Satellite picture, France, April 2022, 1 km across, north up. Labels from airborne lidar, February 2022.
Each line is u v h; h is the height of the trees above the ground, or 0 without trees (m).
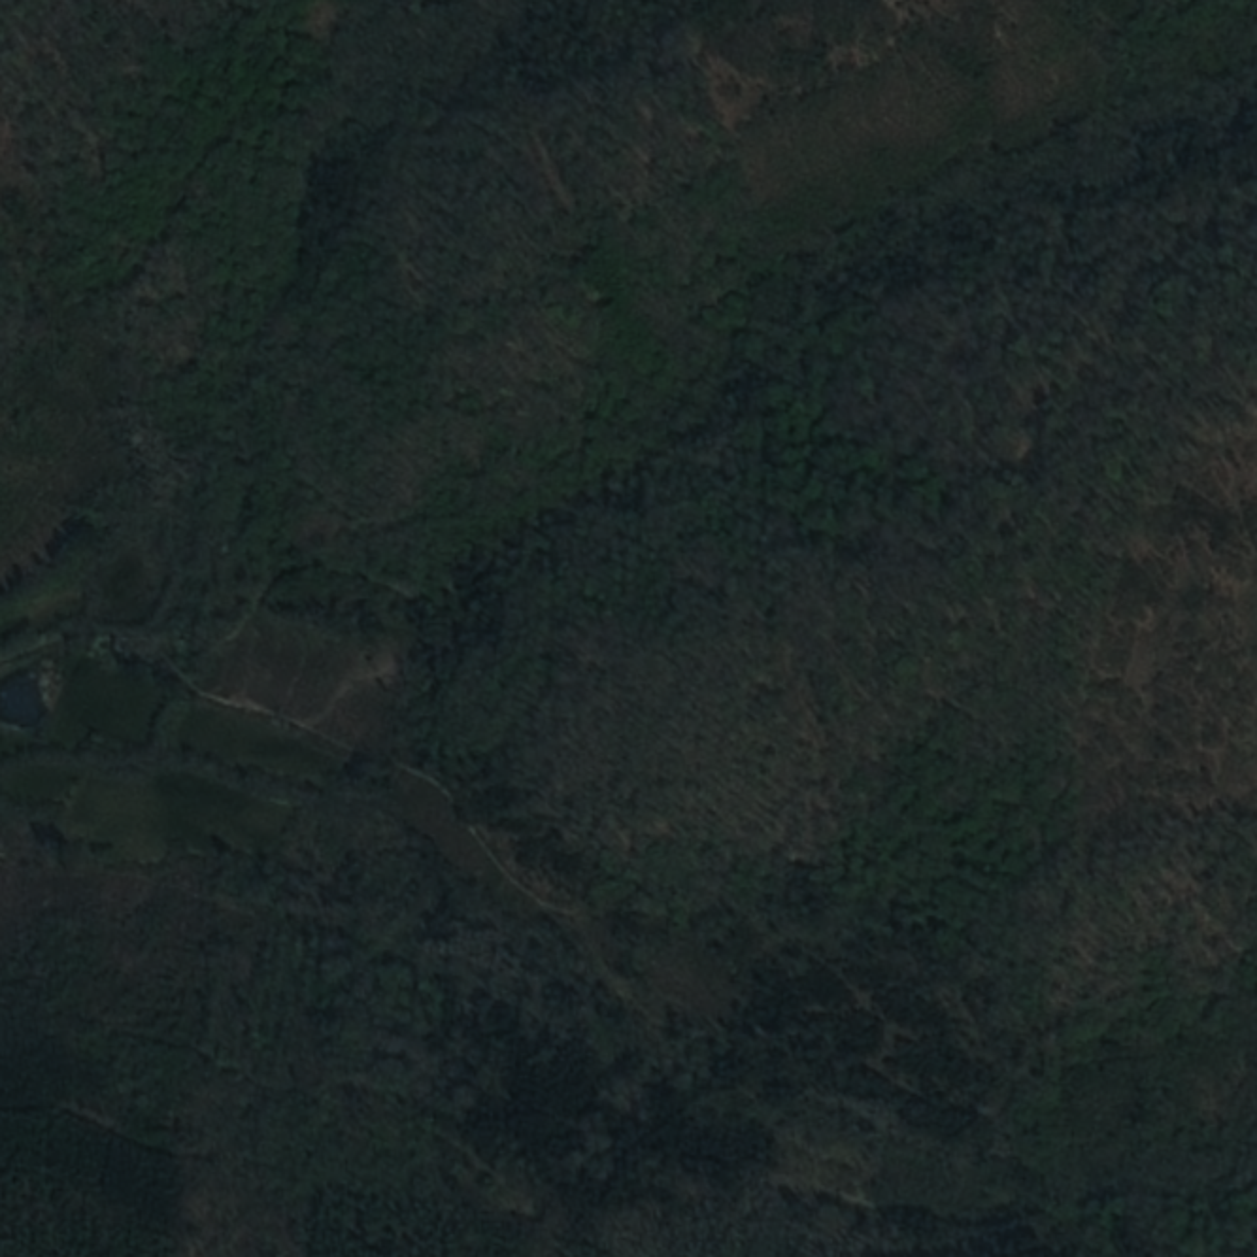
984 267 18
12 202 7
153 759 16
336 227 10
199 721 0
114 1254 11
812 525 25
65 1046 8
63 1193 9
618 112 27
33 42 30
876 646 25
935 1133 27
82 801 0
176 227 30
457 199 29
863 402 29
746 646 23
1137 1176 16
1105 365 29
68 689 0
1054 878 26
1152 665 0
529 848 7
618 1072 9
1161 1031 18
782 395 26
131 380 25
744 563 25
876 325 29
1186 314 25
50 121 28
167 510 21
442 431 19
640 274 28
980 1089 12
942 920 22
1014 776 23
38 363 19
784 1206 21
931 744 12
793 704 20
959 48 11
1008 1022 24
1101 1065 8
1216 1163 19
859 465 15
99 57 29
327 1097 16
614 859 24
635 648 24
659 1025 0
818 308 19
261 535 23
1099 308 24
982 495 27
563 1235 19
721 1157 23
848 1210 11
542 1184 23
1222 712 10
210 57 25
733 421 12
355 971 29
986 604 29
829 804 30
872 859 23
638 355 23
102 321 28
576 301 28
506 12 24
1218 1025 27
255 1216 15
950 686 27
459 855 0
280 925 0
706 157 27
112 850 9
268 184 25
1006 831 18
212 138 13
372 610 12
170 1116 8
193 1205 18
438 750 19
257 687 0
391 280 24
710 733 21
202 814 0
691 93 30
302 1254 14
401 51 25
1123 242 25
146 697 0
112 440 7
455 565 24
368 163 15
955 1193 11
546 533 16
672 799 26
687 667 25
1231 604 10
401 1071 33
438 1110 20
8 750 0
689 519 28
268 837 0
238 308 27
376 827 0
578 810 22
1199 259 27
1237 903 29
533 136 21
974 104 11
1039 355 30
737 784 23
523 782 23
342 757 0
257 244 26
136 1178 16
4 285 27
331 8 0
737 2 8
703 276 27
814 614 28
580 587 26
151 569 0
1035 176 20
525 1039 19
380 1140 15
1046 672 29
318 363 24
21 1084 9
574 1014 31
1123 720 9
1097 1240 25
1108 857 32
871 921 29
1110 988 29
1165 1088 13
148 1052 14
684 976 0
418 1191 18
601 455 25
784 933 27
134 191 21
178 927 0
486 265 17
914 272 27
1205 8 23
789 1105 30
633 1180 27
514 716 28
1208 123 24
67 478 0
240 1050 0
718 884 31
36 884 0
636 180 26
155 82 29
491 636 16
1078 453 30
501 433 23
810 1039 27
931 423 27
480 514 26
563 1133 21
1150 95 14
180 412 26
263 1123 17
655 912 30
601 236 12
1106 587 24
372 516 24
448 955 31
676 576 28
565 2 24
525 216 31
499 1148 21
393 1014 26
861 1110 33
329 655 0
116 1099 10
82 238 23
